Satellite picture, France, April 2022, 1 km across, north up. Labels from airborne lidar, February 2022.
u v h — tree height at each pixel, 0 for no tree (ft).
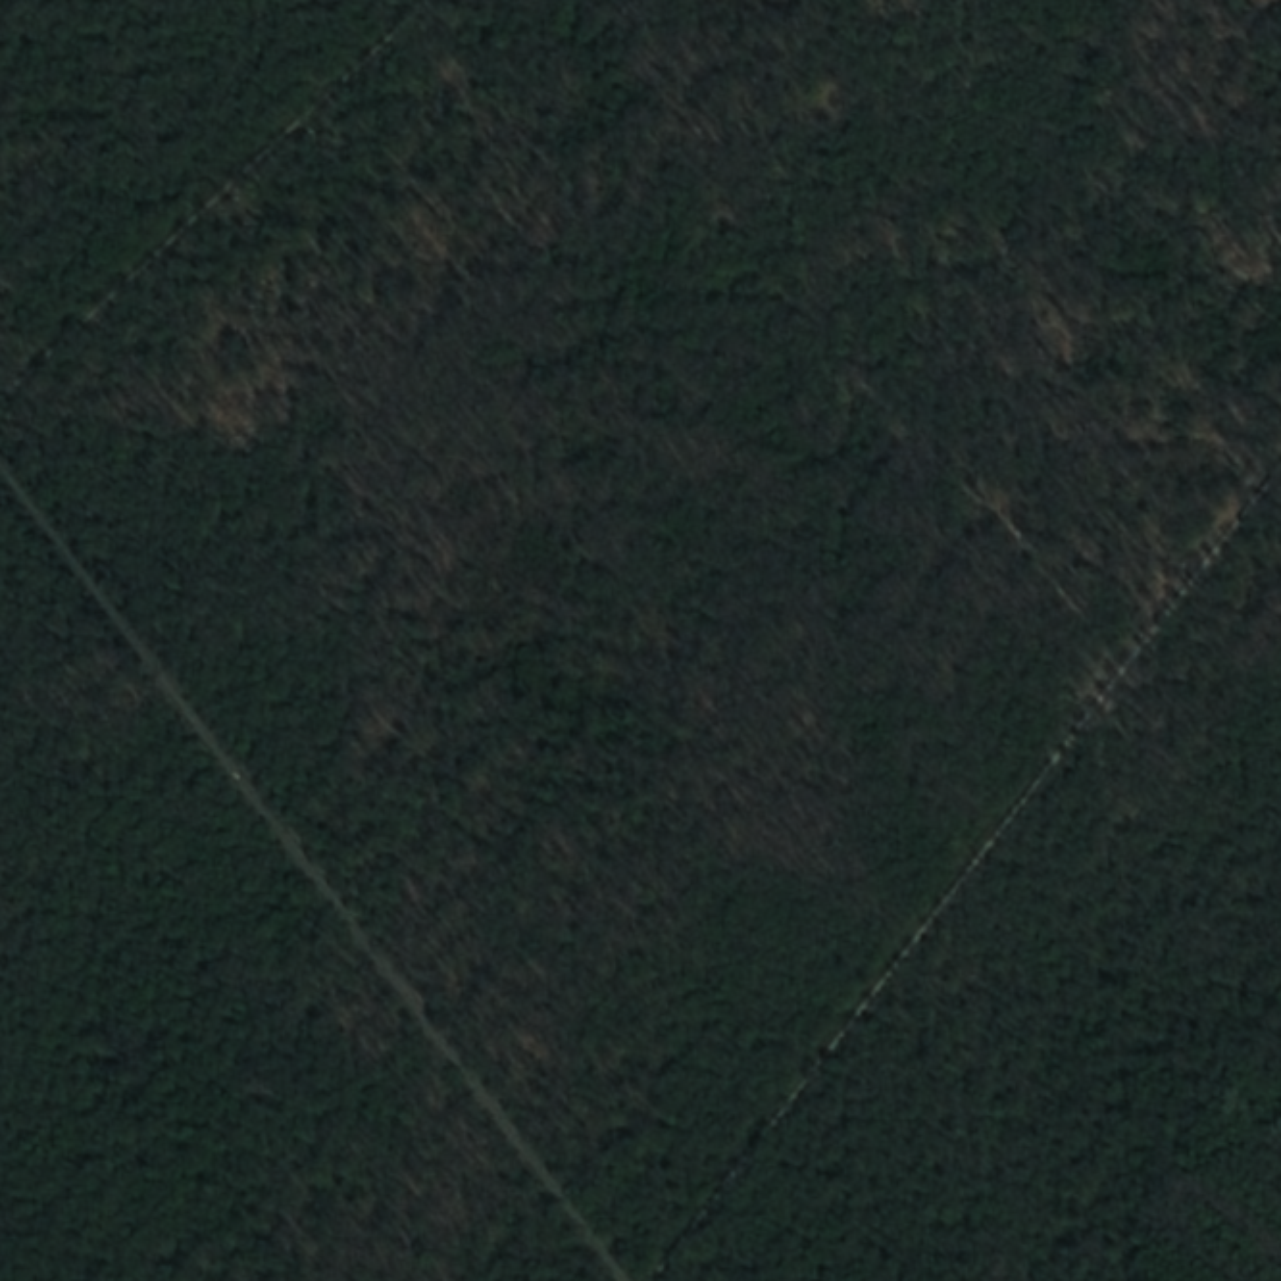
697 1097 86
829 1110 89
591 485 94
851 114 91
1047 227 92
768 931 71
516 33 86
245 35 83
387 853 83
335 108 66
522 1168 80
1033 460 98
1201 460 103
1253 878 82
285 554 66
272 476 69
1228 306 107
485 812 89
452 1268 93
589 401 93
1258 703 78
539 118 90
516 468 102
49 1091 79
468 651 79
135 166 89
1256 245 109
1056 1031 87
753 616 94
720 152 74
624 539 101
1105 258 89
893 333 78
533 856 101
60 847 70
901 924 75
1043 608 89
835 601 93
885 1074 82
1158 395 92
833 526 91
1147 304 94
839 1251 77
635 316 88
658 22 90
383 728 89
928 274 92
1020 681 81
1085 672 82
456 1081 71
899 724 84
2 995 71
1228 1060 72
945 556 62
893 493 98
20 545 67
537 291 99
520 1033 85
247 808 56
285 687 80
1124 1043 76
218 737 65
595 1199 87
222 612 68
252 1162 78
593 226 93
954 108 87
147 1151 72
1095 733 84
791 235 81
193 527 75
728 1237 83
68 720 74
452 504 35
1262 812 82
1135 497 96
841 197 87
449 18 98
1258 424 97
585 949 0
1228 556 86
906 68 84
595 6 77
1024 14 84
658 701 102
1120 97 91
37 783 66
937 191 81
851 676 93
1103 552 106
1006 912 74
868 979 71
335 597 81
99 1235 78
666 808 92
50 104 90
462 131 84
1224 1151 82
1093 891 85
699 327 92
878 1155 76
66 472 72
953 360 98
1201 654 97
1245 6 72
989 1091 77
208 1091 65
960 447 99
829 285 92
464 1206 94
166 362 77
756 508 80
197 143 89
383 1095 77
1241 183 99
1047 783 73
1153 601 84
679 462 89
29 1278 73
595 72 86
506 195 89
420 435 96
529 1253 93
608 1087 93
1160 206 97
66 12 94
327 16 79
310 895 66
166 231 80
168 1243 73
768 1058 78
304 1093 72
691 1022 83
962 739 94
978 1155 78
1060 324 0
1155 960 86
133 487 66
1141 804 70
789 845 77
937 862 64
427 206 87
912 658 93
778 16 96
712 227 89
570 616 89
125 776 72
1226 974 92
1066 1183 75
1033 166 77
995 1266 61
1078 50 82
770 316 77
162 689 62
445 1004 79
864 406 86
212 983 67
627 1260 79
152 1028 63
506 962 91
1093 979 81
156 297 79
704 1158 71
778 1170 74
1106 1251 73
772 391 85
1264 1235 93
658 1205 80
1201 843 74
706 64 94
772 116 100
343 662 79
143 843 68
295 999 71
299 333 89
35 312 81
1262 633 92
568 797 100
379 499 91
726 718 102
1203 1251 96
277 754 70
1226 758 90
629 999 85
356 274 91
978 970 83
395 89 65
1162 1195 76
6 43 82
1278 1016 83
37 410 20
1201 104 90
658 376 52
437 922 84
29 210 88
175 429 82
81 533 64
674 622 99
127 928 73
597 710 98
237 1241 75
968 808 84
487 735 93
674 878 96
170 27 88
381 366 92
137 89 84
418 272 94
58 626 75
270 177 72
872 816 81
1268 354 31
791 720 101
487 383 78
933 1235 83
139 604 66
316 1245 89
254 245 78
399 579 92
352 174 81
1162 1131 91
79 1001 71
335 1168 85
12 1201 64
